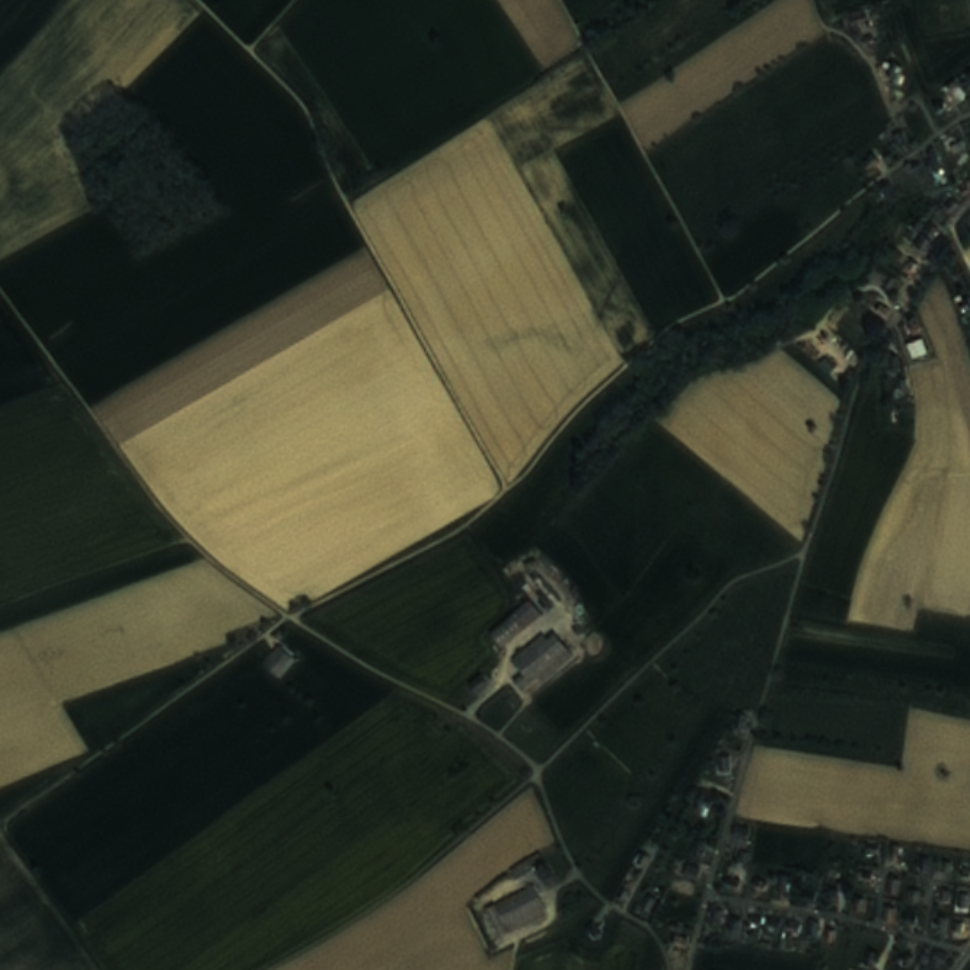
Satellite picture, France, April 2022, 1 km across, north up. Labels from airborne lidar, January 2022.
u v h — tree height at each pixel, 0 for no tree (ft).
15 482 0
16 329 0
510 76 0
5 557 0
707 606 0
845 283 85
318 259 0
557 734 0
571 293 0
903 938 29
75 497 0
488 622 0
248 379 0
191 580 0
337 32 0
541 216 0
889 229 0
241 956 0
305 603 33
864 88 0
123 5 0
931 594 0
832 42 0
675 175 0
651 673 0
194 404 0
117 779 0
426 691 0
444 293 0
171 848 0
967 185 0
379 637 0
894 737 0
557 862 0
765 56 0
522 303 0
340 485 0
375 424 0
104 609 0
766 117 0
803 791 0
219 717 0
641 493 0
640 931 0
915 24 0
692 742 0
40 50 0
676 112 0
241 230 0
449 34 0
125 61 0
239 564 0
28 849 0
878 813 0
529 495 0
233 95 0
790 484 0
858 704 0
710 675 0
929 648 0
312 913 0
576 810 0
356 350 0
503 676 0
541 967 0
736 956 0
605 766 0
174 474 0
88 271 0
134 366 0
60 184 0
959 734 0
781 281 0
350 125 0
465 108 0
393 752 0
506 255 0
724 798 39
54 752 0
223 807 0
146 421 0
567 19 0
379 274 0
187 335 0
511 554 0
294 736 0
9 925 0
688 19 0
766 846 0
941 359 0
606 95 0
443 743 0
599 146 0
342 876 0
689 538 0
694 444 0
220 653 0
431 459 0
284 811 0
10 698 0
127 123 92
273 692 0
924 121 0
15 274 0
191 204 93
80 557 0
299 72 0
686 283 0
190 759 0
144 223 74
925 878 0
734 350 70
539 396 0
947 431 0
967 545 0
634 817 0
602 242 0
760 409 0
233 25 0
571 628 0
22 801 0
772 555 0
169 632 0
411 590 0
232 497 0
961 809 0
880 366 46
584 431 0
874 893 0
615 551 0
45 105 0
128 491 0
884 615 0
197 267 0
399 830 0
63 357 0
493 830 0
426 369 0
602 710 0
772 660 0
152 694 0
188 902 0
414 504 0
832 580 0
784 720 0
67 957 0
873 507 0
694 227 0
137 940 0
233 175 0
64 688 0
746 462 0
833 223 0
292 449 0
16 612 0
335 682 0
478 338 0
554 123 0
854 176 0
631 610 0
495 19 0
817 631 0
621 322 0
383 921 0
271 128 0
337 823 0
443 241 0
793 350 0
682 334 47
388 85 0
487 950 0
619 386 0
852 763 0
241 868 0
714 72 0
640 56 0
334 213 0
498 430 0
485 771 0
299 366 0
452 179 0
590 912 0
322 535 0
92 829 0
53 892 0
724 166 0
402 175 0
